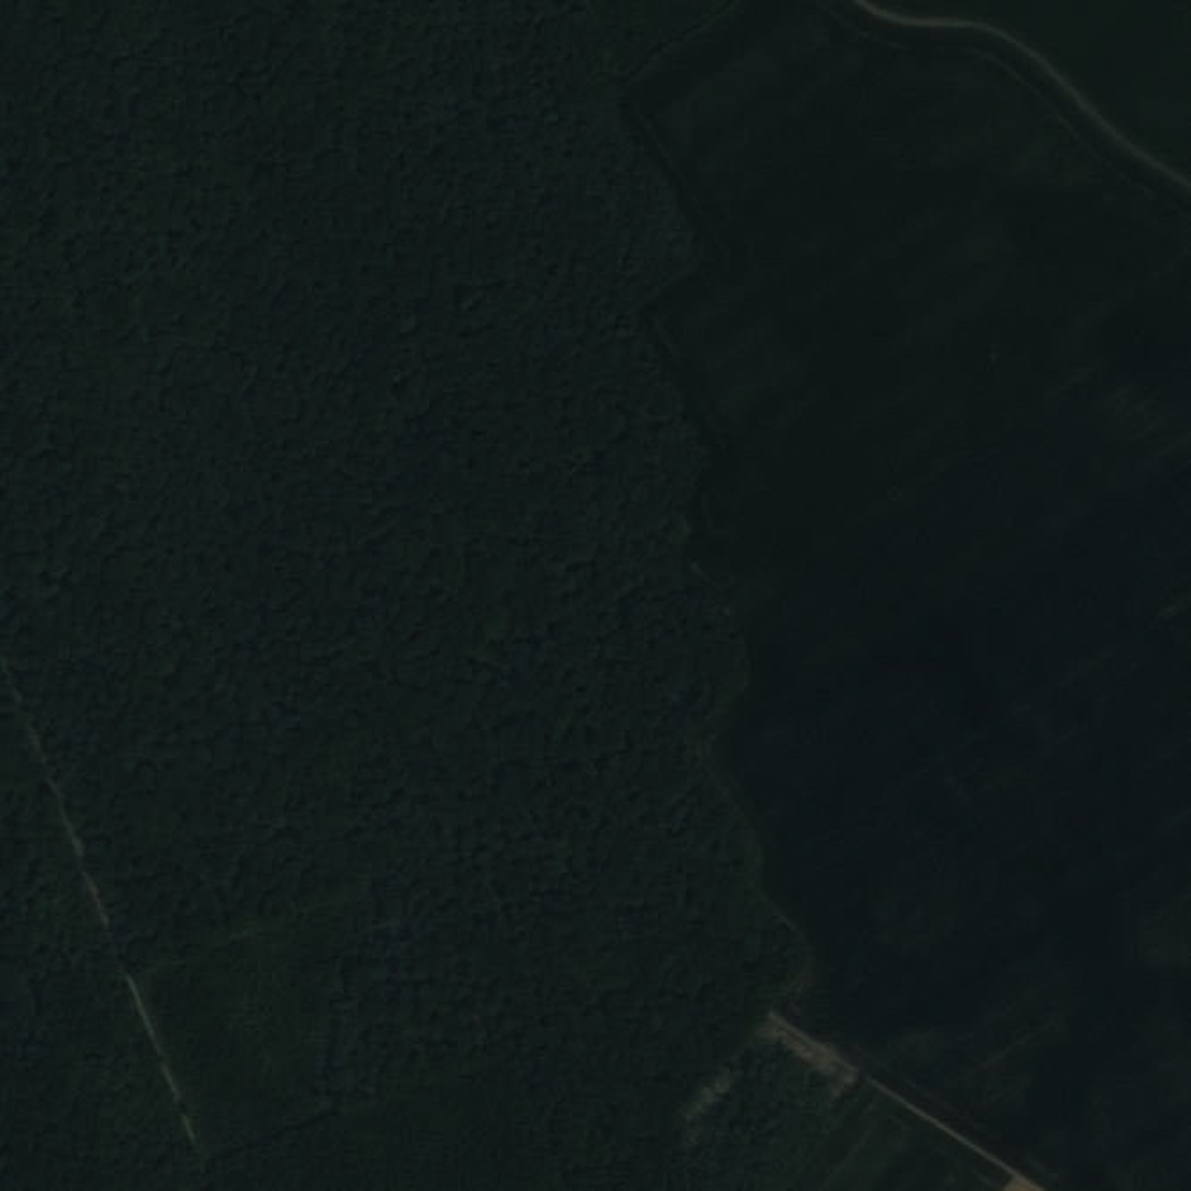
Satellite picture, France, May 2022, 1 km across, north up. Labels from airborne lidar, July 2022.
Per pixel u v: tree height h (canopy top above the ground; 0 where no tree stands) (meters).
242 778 30
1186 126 0
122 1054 26
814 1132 19
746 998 30
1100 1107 0
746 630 0
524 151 30
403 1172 15
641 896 26
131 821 33
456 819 29
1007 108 0
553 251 28
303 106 29
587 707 28
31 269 24
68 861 16
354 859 27
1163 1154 0
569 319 25
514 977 28
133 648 24
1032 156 0
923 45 0
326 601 29
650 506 30
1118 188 0
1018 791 0
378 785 26
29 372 27
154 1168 20
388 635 28
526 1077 17
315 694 29
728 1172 22
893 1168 0
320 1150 19
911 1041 0
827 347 0
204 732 27
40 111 24
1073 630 0
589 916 27
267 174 29
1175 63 0
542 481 31
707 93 0
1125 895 0
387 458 28
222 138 21
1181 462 0
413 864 27
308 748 30
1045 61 0
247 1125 7
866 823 0
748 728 0
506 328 27
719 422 0
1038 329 0
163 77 30
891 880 0
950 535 0
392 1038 27
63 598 28
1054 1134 0
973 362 0
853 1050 0
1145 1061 0
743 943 31
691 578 0
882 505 0
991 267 0
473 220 27
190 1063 5
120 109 23
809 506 0
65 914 18
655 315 0
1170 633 0
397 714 29
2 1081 31
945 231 0
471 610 28
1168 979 0
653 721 27
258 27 31
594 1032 27
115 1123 18
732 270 0
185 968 5
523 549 28
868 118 0
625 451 23
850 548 0
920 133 0
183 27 24
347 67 29
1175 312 0
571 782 30
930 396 0
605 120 27
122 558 28
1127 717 0
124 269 23
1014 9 0
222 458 21
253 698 25
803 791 0
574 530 29
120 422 26
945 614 0
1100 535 0
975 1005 0
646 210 31
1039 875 0
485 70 27
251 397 27
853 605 0
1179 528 0
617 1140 33
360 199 28
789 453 0
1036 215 0
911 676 0
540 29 26
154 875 29
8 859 36
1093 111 0
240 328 28
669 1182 25
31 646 30
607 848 28
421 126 26
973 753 0
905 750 0
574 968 27
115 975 26
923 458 0
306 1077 6
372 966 11
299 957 8
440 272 29
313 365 25
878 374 0
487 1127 18
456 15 23
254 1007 6
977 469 0
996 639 0
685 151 0
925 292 0
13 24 28
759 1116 17
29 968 33
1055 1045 0
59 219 28
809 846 0
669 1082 28
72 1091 29
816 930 0
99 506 27
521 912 28
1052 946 0
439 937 29
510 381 31
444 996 28
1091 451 0
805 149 0
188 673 28
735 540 0
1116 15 0
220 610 26
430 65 20
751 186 0
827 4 0
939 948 0
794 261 0
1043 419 0
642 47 6
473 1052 25
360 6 24
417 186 26
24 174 28
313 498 28
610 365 26
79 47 23
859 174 0
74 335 28
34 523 28
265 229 24
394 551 32
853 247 0
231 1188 15
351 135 22
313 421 23
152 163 22
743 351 0
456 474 31
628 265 17
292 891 27
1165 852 0
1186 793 0
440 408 29
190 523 22
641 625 29
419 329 29
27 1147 27
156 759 28
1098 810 0
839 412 0
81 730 24
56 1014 32
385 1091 22
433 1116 16
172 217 22
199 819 29
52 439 25
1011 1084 0
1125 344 0
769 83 0
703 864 28
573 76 26
